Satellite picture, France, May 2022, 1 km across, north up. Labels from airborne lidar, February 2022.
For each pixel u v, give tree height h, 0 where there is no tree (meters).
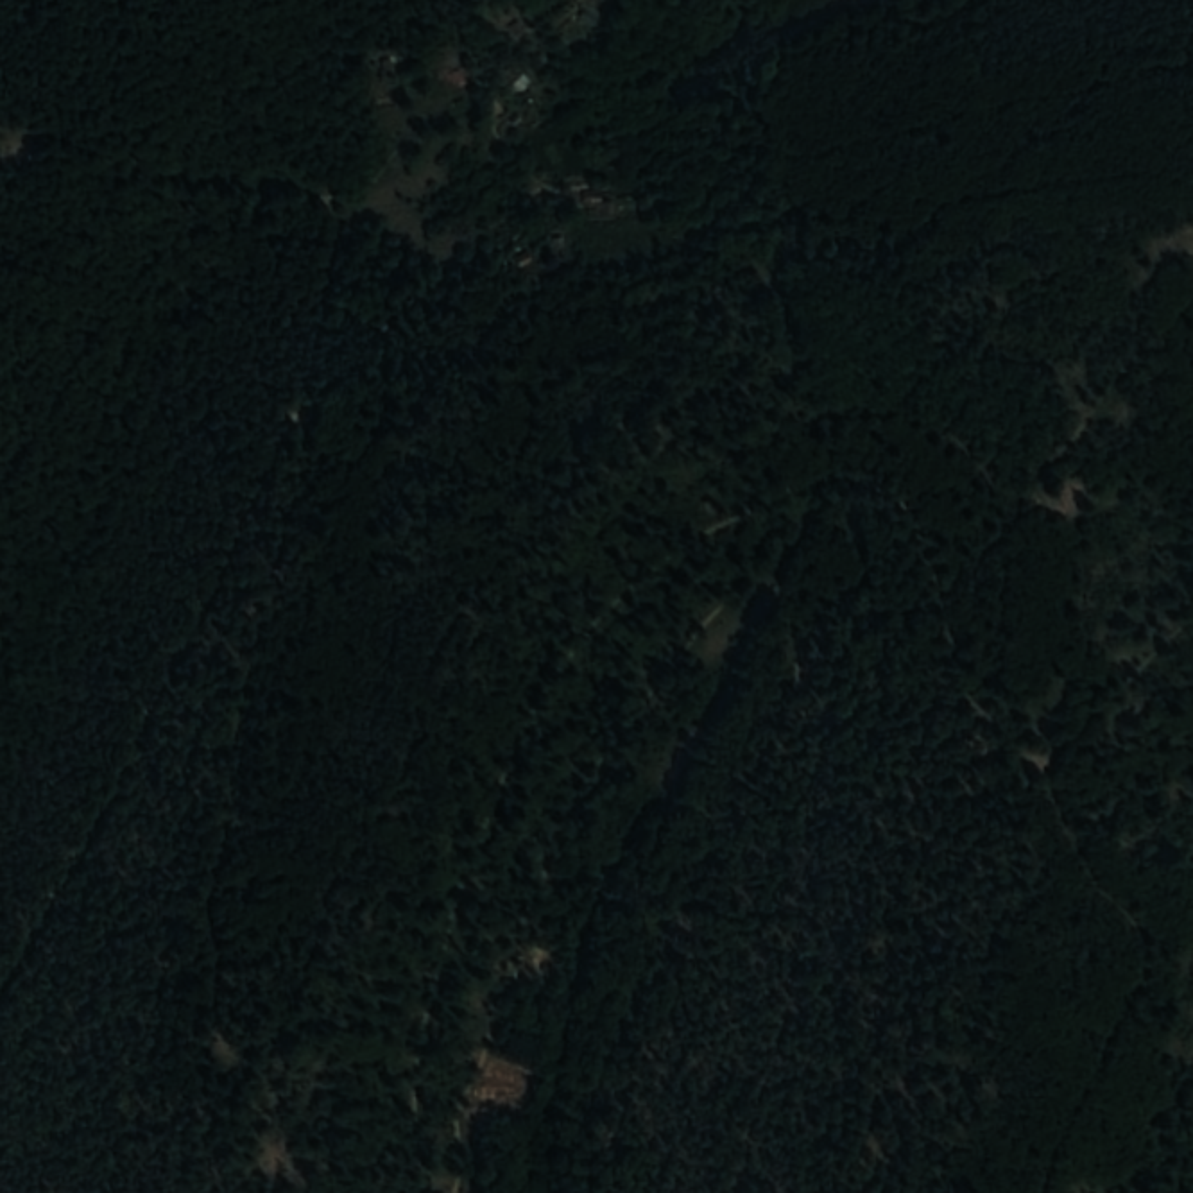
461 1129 0
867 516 33
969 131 16
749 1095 27
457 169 8
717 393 10
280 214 33
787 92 22
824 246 29
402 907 32
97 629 29
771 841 26
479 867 32
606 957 29
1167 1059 16
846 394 28
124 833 24
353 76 29
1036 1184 11
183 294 33
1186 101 17
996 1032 14
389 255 29
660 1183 31
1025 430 27
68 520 31
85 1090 28
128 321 32
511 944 15
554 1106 17
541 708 41
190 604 28
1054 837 9
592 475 31
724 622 0
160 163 36
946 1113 33
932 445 32
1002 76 18
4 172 27
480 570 10
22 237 30
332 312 31
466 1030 0
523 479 8
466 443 11
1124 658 0
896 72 16
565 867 21
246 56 33
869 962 20
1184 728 16
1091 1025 14
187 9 29
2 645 28
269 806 12
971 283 29
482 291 12
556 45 18
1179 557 30
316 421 24
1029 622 13
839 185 16
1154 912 12
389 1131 28
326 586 12
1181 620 12
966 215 13
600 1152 28
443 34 9
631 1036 31
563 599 38
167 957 29
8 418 34
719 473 38
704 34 32
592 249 0
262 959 21
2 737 29
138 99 33
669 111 28
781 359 29
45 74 31
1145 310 10
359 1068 14
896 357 28
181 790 28
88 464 33
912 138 13
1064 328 10
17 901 33
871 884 21
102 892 29
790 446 17
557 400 11
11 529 31
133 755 28
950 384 27
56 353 33
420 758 12
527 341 21
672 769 0
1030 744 30
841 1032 28
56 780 33
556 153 0
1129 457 10
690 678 34
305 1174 30
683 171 28
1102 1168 15
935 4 24
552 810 7
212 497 30
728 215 21
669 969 30
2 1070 29
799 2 0
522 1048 19
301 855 17
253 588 31
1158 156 16
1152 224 14
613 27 27
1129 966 15
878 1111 29
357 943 33
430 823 20
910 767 27
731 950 17
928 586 24
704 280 15
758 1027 28
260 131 32
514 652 13
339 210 10
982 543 10
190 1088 30
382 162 13
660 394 27
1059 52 21
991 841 29
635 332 13
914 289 26
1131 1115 23
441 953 13
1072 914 10
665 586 6
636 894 34
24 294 32
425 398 31
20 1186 27
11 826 33
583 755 15
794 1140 28
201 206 33
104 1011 26
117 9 28
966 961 30
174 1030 29
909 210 16
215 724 25
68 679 33
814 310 27
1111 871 19
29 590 26
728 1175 22
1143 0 16
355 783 8
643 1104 28
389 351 34
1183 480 12
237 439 31
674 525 13
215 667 28
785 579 21
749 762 24
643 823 19
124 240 34
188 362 25
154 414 24
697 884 27
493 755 11
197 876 30
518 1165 27
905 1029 27
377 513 10
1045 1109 19
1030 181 17
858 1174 26
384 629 12
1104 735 29
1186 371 13
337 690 13
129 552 32
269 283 33
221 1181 31
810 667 34
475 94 22
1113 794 13
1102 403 0
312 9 32
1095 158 17
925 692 27
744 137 21
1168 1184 35
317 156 30
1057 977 12
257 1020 32
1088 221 18
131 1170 25
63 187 33
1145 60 20
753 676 31
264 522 30
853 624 31
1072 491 0
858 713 29
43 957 25
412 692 11
